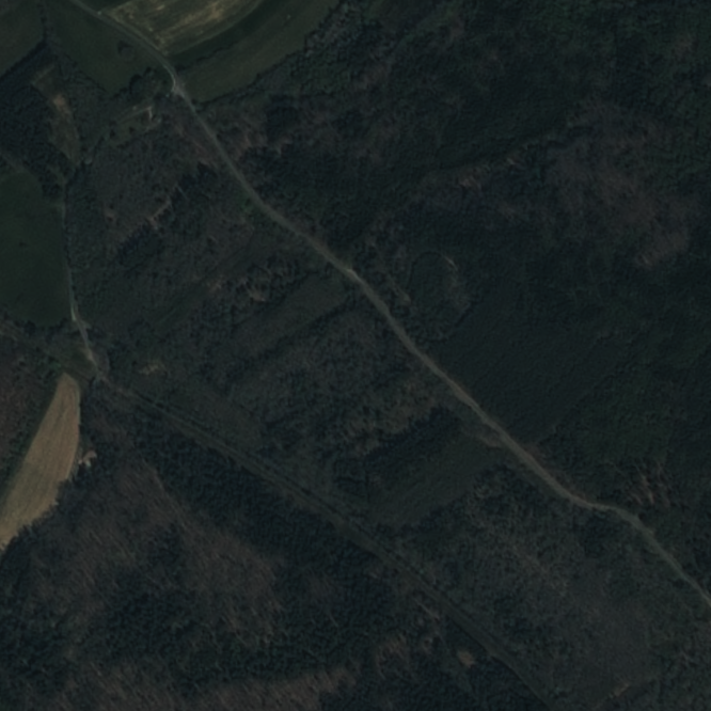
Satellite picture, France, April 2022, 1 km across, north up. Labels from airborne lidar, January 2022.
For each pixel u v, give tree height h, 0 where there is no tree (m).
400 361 30
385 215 15
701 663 26
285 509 24
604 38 15
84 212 20
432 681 29
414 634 22
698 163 16
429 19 24
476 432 27
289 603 20
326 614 23
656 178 10
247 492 24
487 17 14
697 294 15
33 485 0
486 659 25
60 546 21
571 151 24
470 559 14
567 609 13
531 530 10
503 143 13
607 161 21
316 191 13
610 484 11
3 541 0
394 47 26
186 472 20
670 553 17
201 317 14
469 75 20
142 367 7
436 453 24
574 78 16
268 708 23
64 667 22
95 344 17
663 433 14
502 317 17
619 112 18
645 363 12
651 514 17
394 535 12
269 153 22
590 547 18
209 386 18
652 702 23
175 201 0
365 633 25
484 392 18
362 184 14
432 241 14
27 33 0
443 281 14
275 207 20
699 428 11
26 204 0
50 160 23
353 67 26
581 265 17
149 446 14
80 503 18
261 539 25
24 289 0
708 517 10
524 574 9
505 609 13
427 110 13
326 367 12
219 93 0
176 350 16
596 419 13
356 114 16
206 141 31
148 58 0
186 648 25
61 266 0
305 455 22
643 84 20
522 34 16
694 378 10
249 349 19
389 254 12
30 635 30
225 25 0
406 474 25
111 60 0
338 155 15
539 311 11
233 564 20
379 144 16
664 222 16
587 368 16
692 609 25
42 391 13
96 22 0
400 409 23
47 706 23
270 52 0
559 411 18
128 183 9
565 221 17
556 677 7
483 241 14
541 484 9
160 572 22
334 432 15
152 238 28
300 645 23
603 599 18
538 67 18
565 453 10
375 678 33
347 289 19
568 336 14
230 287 10
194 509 20
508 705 34
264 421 17
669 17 17
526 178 17
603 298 12
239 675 21
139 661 21
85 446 10
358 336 17
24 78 19
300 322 15
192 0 0
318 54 15
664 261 19
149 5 0
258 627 19
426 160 17
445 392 27
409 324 22
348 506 14
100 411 22
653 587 26
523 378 13
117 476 18
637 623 22
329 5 0
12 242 0
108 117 17
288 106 27
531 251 12
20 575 25
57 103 0
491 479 23
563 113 12
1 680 24
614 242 15
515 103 15
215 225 18
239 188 24
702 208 18
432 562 10
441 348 17
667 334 11
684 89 15
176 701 23
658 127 13
